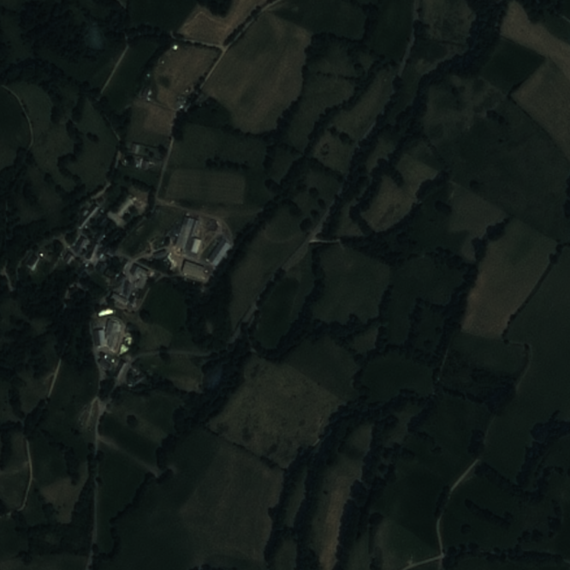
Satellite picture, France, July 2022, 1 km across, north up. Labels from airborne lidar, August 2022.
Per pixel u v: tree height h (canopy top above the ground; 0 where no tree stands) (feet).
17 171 23
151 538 0
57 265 0
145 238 0
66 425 0
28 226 33
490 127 0
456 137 0
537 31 0
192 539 0
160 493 0
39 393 0
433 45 0
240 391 0
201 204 0
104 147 0
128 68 0
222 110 0
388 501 0
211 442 0
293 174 49
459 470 0
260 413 0
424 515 0
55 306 28
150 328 0
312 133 29
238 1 0
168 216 0
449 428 0
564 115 0
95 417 0
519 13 0
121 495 0
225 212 0
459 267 62
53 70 61
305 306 41
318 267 43
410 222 54
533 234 0
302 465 54
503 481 80
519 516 0
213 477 0
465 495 0
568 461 0
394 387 0
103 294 38
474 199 0
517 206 0
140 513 0
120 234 36
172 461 0
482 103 0
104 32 29
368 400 22
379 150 0
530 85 0
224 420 0
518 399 0
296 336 53
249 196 0
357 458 0
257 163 0
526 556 66
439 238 0
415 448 0
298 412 0
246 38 0
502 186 0
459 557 46
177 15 0
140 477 0
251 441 0
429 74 19
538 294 0
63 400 0
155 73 0
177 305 0
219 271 50
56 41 59
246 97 0
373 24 57
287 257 0
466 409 0
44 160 0
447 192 0
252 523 0
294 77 0
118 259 40
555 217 0
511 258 0
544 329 0
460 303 62
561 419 0
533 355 0
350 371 0
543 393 0
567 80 0
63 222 0
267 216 71
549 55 0
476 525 0
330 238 26
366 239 31
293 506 0
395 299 0
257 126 0
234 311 0
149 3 0
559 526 59
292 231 0
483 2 44
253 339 25
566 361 0
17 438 0
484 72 0
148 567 0
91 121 0
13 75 41
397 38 0
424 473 0
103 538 0
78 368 52
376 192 34
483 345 0
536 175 0
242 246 58
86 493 41
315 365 0
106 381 21
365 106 0
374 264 0
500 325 0
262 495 0
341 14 0
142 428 0
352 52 33
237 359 35
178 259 0
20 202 0
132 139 0
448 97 0
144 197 0
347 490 0
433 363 34
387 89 0
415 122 51
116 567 0
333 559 0
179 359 0
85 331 50
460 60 57
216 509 0
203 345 54
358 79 31
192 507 0
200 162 0
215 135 0
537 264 0
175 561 0
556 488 0
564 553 0
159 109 0
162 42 38
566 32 0
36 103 0
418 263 0
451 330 55
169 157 0
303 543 87
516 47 0
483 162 0
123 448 0
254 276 0
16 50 0
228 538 0
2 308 0
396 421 42
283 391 0
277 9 0
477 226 0
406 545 0
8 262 29
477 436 73
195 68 0
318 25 0
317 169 61
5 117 0
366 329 32
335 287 0
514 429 0
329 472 0
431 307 29
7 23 0
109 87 0
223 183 0
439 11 0
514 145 0
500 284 0
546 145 0
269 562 45
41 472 0
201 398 37
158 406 0
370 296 0
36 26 23
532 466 52
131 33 32
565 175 0
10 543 0
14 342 24
